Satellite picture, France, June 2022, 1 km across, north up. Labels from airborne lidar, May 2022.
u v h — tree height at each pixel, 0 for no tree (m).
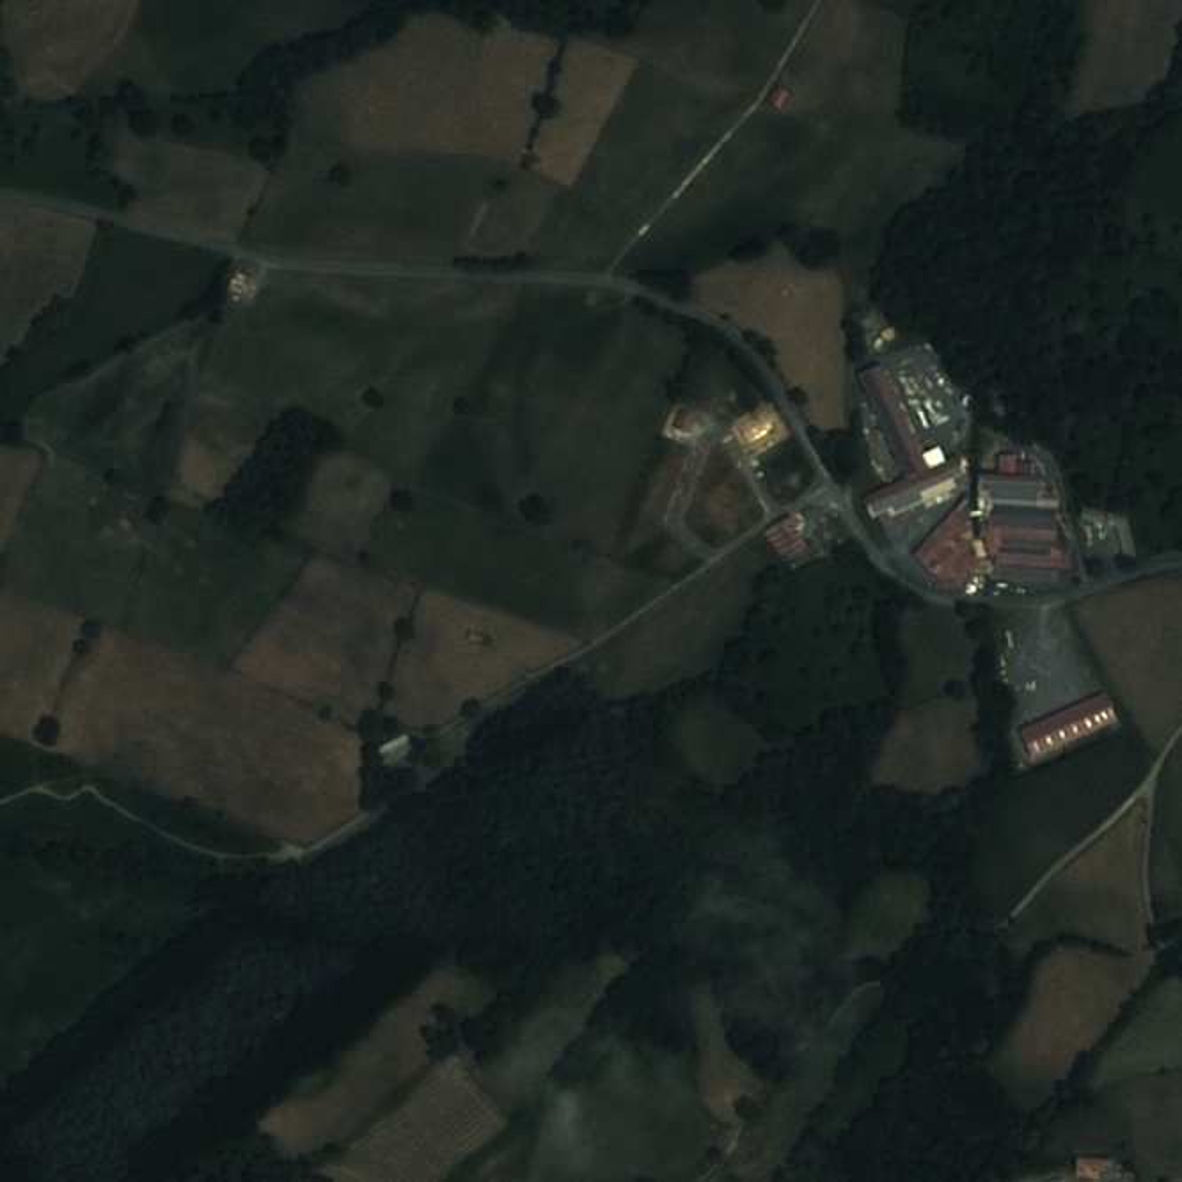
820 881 9
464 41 0
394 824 23
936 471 0
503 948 15
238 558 0
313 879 19
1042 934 0
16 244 0
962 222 17
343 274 0
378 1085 0
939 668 0
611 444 0
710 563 0
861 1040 12
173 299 0
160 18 0
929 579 0
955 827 15
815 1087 0
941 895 12
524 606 0
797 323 0
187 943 21
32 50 0
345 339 0
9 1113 26
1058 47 21
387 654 0
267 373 0
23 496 0
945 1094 16
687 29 0
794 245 16
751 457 0
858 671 0
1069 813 0
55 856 11
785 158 0
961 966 21
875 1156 11
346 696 0
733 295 0
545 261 0
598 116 0
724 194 0
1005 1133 14
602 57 0
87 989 0
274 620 0
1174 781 0
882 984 14
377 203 0
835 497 0
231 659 0
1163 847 0
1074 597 0
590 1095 0
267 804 0
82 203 0
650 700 10
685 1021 11
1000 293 11
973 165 9
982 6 8
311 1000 30
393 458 0
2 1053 0
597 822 19
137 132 14
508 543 0
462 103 0
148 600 0
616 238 0
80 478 0
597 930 15
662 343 0
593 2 0
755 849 8
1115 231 12
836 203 0
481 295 0
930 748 0
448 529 0
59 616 0
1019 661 0
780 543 0
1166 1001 0
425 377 0
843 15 0
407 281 0
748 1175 0
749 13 0
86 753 0
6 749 0
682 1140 0
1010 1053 0
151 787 0
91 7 0
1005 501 0
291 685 0
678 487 0
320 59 22
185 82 0
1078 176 16
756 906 10
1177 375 15
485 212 0
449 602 0
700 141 0
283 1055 32
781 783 11
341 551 0
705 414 0
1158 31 0
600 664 0
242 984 21
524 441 0
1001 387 17
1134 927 0
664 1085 0
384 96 0
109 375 0
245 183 0
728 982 12
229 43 0
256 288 0
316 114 0
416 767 10
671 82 0
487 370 0
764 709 13
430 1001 0
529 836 21
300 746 0
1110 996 0
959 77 0
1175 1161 0
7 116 11
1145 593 0
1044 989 0
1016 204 12
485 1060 12
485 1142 0
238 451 0
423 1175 0
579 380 0
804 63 0
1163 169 0
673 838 7
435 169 0
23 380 0
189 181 0
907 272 19
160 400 0
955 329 16
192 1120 28
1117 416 14
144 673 0
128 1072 21
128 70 0
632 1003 11
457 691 0
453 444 0
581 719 20
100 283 0
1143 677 0
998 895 0
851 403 0
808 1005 19
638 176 0
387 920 17
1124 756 0
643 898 8
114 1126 16
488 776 21
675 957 22
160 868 11
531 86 0
